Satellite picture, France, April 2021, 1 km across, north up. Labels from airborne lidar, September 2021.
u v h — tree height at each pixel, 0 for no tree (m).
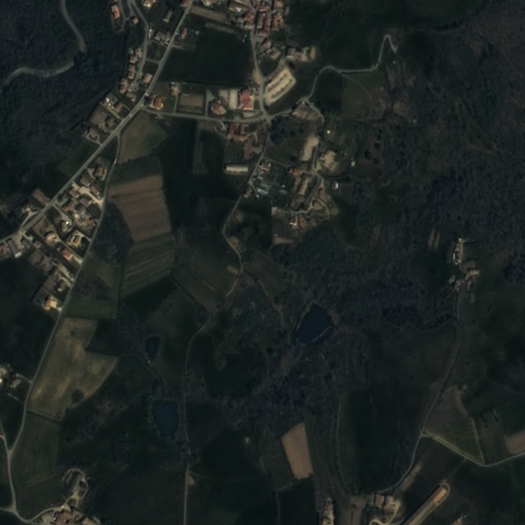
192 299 9
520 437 0
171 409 0
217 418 0
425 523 0
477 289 0
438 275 8
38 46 17
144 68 0
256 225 12
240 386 0
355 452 0
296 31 0
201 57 0
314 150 9
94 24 6
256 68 0
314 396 11
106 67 9
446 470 0
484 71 12
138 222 0
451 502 0
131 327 7
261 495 0
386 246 10
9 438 0
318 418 5
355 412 0
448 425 0
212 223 0
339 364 11
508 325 0
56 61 10
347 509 0
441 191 22
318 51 0
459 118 21
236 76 0
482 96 8
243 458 0
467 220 7
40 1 8
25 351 0
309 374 7
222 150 0
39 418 0
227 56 0
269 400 16
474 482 0
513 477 0
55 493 0
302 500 0
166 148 0
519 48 11
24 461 0
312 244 7
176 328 0
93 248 0
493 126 9
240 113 0
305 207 12
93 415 10
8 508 0
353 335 5
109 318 0
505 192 19
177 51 0
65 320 0
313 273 7
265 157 0
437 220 11
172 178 0
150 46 0
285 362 34
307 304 6
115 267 0
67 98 10
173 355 0
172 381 0
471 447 0
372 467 0
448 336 0
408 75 0
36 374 0
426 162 10
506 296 0
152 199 0
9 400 0
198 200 23
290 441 0
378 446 0
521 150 8
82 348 0
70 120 0
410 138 11
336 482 0
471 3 0
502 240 8
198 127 23
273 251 0
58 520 0
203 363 0
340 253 9
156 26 0
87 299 0
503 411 0
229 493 0
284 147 0
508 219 10
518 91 8
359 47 0
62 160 0
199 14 0
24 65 8
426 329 10
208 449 0
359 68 0
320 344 10
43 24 17
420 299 6
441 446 0
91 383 0
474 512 0
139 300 0
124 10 0
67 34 8
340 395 12
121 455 0
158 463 0
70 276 0
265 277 0
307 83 0
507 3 13
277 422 8
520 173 7
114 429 0
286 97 0
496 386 0
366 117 7
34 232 0
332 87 0
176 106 0
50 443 0
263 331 6
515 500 0
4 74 11
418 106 13
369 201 11
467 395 0
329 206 0
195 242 0
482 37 6
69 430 0
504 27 12
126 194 0
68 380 0
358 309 9
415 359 0
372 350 0
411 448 8
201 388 15
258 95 0
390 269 18
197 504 0
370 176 0
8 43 13
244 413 13
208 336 0
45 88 8
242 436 0
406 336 0
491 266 0
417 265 0
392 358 0
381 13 0
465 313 0
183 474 6
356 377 0
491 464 0
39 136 0
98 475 0
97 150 0
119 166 6
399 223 15
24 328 0
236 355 0
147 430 0
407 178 7
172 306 8
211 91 0
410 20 0
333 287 28
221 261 0
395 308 7
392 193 0
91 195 0
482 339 0
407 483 0
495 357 0
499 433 0
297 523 0
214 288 0
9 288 0
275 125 18
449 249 12
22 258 0
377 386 0
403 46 0
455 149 9
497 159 8
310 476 8
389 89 7
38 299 0
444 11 0
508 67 15
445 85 24
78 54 0
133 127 0
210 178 0
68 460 0
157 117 0
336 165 0
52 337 0
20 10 13
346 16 9
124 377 0
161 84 0
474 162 19
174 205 0
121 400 0
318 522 9
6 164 0
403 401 0
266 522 0
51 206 0
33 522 0
